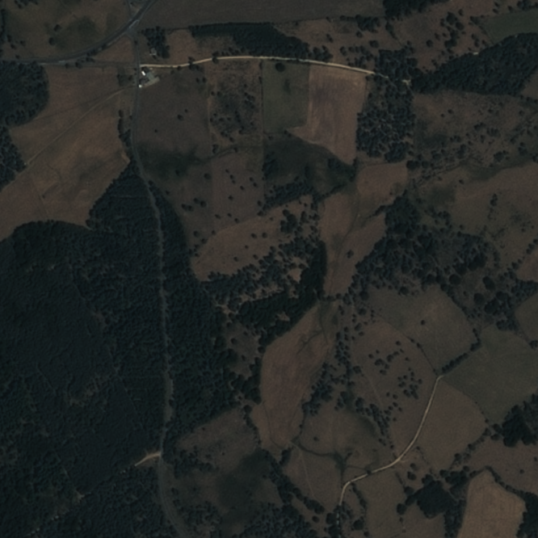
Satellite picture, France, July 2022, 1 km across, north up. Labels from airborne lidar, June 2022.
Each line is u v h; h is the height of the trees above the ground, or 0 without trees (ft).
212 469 35
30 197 0
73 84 0
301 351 0
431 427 0
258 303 48
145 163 0
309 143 0
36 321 46
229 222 0
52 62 0
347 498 0
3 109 31
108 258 52
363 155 0
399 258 49
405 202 33
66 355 47
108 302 55
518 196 0
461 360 43
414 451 0
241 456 0
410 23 0
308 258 35
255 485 0
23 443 45
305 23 0
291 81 0
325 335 0
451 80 64
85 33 0
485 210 0
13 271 43
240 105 0
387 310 0
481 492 0
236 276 49
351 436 0
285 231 41
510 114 0
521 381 0
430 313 0
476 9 0
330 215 0
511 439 37
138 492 51
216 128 0
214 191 0
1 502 30
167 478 0
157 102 0
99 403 35
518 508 0
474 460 0
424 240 68
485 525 0
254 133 0
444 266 0
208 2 0
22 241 53
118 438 45
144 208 59
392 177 0
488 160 0
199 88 0
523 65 47
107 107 0
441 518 0
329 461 0
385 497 0
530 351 0
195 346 54
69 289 39
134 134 0
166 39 46
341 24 0
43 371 41
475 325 0
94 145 0
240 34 51
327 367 54
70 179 0
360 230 0
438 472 0
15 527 32
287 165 0
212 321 52
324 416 0
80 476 47
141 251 68
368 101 0
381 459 0
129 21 0
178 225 28
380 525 0
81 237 31
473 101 0
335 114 0
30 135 0
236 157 0
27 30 0
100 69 0
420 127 0
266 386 0
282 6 0
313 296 46
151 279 54
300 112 0
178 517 0
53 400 39
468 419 0
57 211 0
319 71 0
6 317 28
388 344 0
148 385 43
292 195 35
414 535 0
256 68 0
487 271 0
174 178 0
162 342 58
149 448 36
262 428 0
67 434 38
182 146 0
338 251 0
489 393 0
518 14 0
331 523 34
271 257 45
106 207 53
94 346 38
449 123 0
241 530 0
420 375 0
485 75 50
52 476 79
